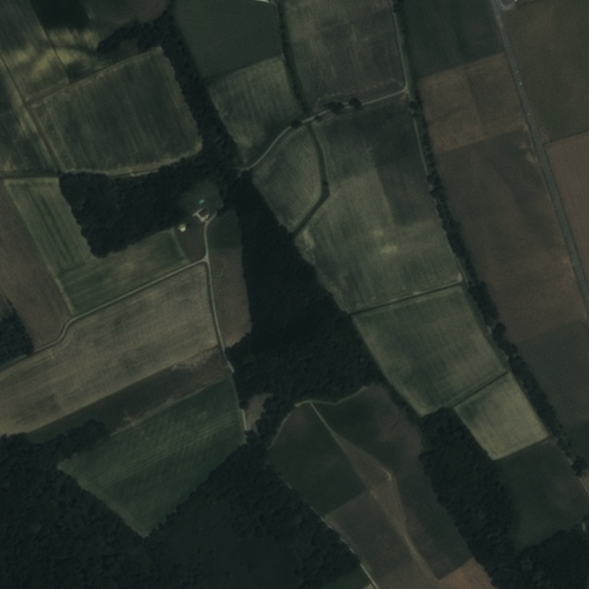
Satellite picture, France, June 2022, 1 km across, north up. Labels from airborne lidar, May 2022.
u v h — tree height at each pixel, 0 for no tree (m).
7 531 22
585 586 10
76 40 0
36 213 0
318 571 12
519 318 0
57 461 18
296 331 12
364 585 0
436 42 0
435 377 0
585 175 0
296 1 0
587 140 0
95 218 20
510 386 0
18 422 0
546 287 0
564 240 0
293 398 11
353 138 0
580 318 0
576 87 0
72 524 29
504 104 0
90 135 0
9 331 21
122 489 0
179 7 0
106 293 0
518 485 0
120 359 0
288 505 12
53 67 0
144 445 0
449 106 0
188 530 0
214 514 0
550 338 0
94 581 25
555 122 0
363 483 0
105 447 0
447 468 19
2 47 0
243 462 20
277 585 0
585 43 0
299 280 11
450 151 0
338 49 0
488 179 0
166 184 24
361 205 0
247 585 0
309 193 0
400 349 0
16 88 0
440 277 0
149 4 0
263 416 9
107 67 0
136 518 0
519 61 0
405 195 0
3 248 0
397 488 0
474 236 0
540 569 14
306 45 0
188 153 0
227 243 0
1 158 0
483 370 0
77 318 0
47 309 0
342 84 0
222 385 0
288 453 0
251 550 0
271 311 14
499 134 0
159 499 0
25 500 26
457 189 0
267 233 21
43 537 25
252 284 13
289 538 17
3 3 0
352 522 0
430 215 0
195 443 0
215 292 0
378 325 0
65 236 0
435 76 0
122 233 24
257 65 0
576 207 0
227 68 0
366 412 0
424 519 0
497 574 18
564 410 0
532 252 0
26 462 30
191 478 0
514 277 0
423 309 0
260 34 0
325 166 0
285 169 0
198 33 0
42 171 0
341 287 0
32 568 22
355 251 0
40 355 0
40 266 0
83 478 0
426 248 0
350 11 0
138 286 0
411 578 0
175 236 0
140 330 0
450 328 0
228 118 0
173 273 0
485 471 13
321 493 0
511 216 0
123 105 0
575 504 0
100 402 0
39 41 0
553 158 0
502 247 0
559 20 0
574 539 12
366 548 0
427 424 17
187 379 0
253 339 14
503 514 19
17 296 0
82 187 25
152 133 0
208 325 0
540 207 0
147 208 13
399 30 0
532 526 0
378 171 0
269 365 23
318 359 28
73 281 0
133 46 0
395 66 0
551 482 0
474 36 0
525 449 0
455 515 11
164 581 16
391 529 0
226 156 15
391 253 0
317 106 0
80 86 0
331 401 0
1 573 21
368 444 0
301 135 0
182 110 0
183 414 0
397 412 0
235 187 22
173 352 0
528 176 0
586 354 0
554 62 0
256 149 0
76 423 0
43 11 0
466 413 0
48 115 0
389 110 0
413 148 0
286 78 0
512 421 0
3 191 0
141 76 0
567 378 0
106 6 0
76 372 0
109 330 0
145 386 0
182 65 12
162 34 17
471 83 0
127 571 26
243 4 0
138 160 0
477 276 9
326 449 0
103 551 27
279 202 0
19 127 0
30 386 0
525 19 0
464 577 0
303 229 0
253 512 10
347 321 9
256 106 0
